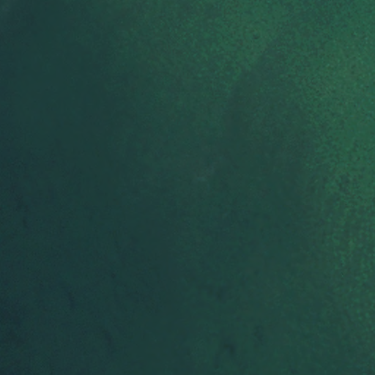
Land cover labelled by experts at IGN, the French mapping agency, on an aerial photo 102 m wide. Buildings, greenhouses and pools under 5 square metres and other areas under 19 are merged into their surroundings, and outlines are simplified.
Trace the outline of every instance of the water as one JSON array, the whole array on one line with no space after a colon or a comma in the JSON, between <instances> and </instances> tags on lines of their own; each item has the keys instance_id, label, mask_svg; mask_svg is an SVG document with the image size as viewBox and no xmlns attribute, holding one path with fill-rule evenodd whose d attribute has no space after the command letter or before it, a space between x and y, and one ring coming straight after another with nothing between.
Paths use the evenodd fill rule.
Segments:
<instances>
[{"instance_id":1,"label":"water","mask_svg":"<svg viewBox=\"0 0 375 375\"><path fill-rule=\"evenodd\" d=\"M375 375L375 0L0 0L0 375Z\"/></svg>"}]
</instances>

